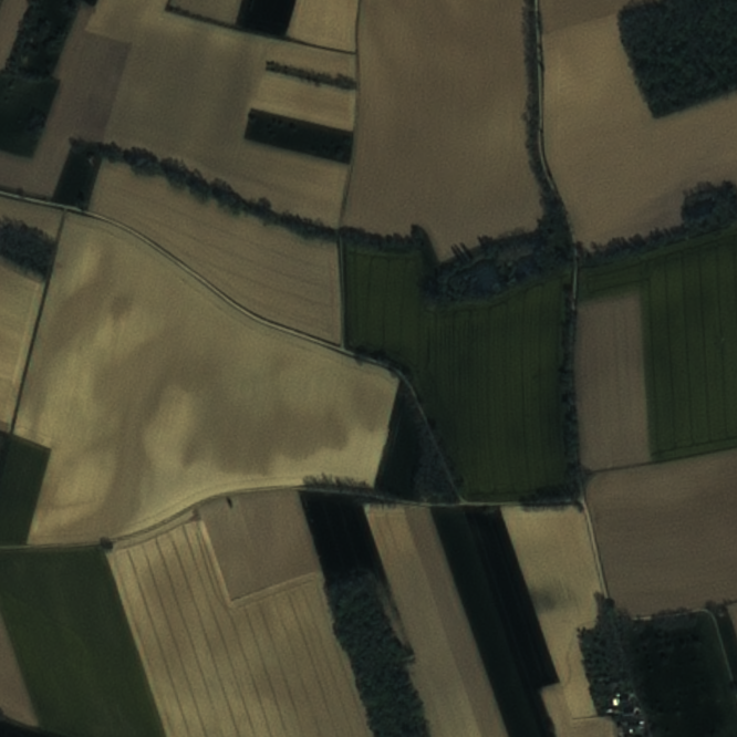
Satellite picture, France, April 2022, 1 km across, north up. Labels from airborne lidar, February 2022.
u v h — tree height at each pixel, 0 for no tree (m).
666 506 0
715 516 0
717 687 0
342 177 0
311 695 0
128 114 0
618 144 0
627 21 24
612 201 0
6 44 0
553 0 0
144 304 0
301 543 0
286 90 0
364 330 0
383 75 0
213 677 0
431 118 0
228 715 0
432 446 25
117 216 0
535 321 0
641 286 0
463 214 0
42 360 0
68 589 0
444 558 0
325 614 0
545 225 10
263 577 0
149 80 0
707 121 0
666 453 0
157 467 0
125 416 0
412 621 0
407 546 0
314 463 0
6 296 0
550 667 0
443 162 0
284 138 0
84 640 0
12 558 0
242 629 0
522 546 0
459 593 0
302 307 0
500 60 0
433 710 0
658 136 0
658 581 0
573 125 0
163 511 0
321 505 0
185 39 0
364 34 0
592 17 0
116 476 0
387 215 0
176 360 0
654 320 0
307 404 0
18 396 0
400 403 0
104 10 0
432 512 0
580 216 0
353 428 0
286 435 0
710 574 0
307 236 16
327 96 0
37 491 0
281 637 0
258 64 0
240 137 0
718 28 16
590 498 0
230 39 0
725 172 0
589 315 0
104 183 0
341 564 0
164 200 0
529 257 0
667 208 0
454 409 0
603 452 0
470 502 0
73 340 0
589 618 0
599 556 0
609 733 0
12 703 0
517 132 0
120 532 0
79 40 0
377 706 23
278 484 0
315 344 0
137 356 0
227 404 0
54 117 0
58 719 0
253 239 0
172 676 0
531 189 0
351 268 0
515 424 0
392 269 0
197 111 0
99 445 0
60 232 0
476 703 0
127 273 0
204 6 0
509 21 0
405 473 0
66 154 0
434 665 0
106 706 0
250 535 0
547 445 0
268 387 0
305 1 0
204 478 0
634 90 0
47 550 0
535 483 0
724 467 0
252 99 0
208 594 0
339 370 0
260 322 0
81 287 0
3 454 0
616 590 0
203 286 0
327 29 0
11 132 0
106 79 0
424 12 0
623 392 0
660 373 0
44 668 0
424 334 0
